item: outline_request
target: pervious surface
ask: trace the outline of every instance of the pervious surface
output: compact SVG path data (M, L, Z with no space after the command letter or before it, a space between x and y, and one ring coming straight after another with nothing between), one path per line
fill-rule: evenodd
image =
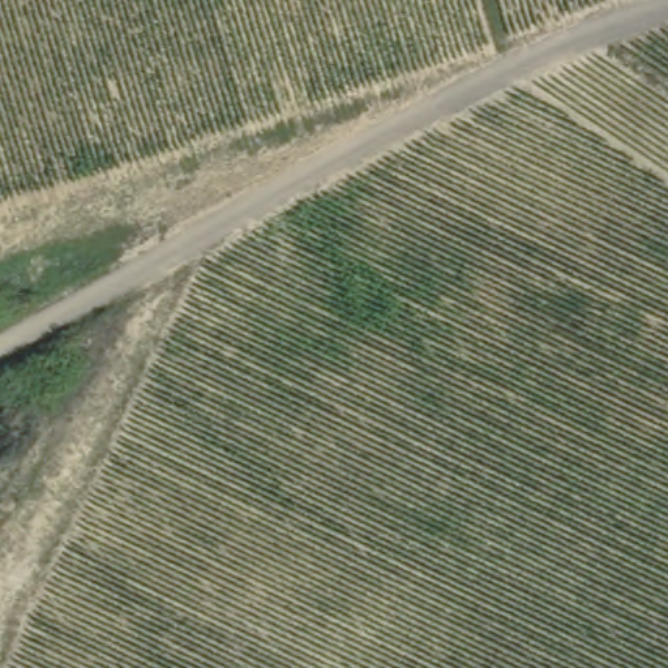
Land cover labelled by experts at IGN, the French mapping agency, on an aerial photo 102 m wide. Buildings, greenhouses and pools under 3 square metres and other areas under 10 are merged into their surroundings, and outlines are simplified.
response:
M480 107L504 102L517 89L527 89L535 81L553 78L566 68L587 65L592 57L605 55L611 44L626 44L631 39L647 42L650 34L668 29L668 0L631 0L624 5L611 5L603 13L592 13L585 21L556 34L540 34L530 44L511 47L501 52L491 65L454 73L451 78L425 91L415 91L412 97L397 102L371 104L365 110L355 120L329 128L337 136L334 144L321 144L311 157L300 157L295 164L290 164L284 172L274 175L264 185L243 188L232 198L224 198L214 206L206 206L180 219L175 227L167 230L164 240L149 237L144 243L136 243L128 251L123 251L123 256L112 264L110 274L94 279L81 290L65 290L57 303L47 305L44 311L23 318L21 324L0 334L0 355L39 339L52 326L73 321L97 305L115 300L117 295L125 295L128 290L141 290L164 277L172 277L188 261L204 258L217 261L237 240L248 237L253 230L261 230L269 219L292 209L297 201L334 190L347 177L365 172L384 157L404 151L410 144L420 141L428 133L446 136L451 123L467 123Z

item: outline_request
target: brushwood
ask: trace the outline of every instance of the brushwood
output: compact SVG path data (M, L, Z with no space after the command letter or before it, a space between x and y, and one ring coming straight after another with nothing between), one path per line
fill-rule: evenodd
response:
M123 256L123 251L128 251L136 243L136 235L141 230L138 222L112 222L110 227L86 237L52 240L0 258L0 334L21 324L23 318L44 311L47 305L57 303L65 290L81 290L94 279L110 274L112 264Z

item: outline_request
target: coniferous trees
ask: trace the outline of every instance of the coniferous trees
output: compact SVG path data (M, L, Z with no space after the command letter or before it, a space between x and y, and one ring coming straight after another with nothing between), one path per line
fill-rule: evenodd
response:
M29 451L29 446L37 441L39 420L44 415L55 415L57 420L70 423L73 412L63 410L63 402L81 386L81 378L89 371L81 337L57 342L55 352L34 355L21 368L0 373L0 459L23 457Z

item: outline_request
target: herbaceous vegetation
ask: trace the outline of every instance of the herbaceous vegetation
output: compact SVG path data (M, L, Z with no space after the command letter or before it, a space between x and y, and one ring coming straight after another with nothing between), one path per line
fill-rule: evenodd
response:
M57 420L55 415L44 415L39 420L37 441L29 446L29 451L23 457L0 459L0 668L13 668L13 660L8 658L18 658L26 631L31 626L31 616L37 613L39 603L50 600L52 605L65 605L63 598L47 592L47 587L52 585L52 577L68 545L76 543L97 553L104 545L117 548L123 543L115 532L86 524L97 519L110 519L110 514L102 506L91 501L97 496L97 488L104 488L104 470L110 470L112 464L110 459L104 459L107 449L117 451L120 441L130 433L130 418L141 397L146 394L149 381L154 378L154 365L164 350L164 339L175 329L177 318L185 313L190 290L198 284L198 279L204 279L204 258L188 261L172 277L164 277L141 290L144 303L130 311L133 318L125 324L125 331L120 334L117 344L104 352L104 368L99 378L94 381L94 386L86 389L86 397L73 404L73 412L70 423Z
M297 91L287 76L271 84L279 110L266 117L204 133L193 141L185 141L177 149L167 149L136 162L123 162L117 167L99 170L78 180L55 183L52 188L23 190L0 201L0 258L52 240L86 237L110 227L112 222L138 222L141 230L136 235L136 243L144 243L149 237L164 240L167 230L175 227L180 219L206 206L214 206L224 198L232 198L243 188L264 185L274 175L284 172L290 164L295 164L300 157L311 157L321 144L334 144L337 136L329 128L355 120L365 110L360 99L350 102L344 91L331 91L324 99L311 99L308 91Z

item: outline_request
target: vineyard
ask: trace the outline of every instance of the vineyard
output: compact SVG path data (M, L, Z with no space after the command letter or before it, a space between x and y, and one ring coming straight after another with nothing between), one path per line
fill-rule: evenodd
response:
M347 177L334 190L297 201L292 209L269 219L261 230L253 230L248 237L237 240L217 261L204 258L204 279L198 279L198 284L190 290L185 313L177 318L175 329L164 339L164 350L154 365L154 378L149 381L146 394L141 397L130 418L130 433L120 441L117 451L107 449L104 459L110 459L112 464L110 470L104 470L104 488L97 488L97 496L91 501L102 506L110 514L110 519L97 519L86 524L115 532L123 543L117 548L104 545L97 553L76 543L68 545L52 577L52 585L47 587L47 592L63 598L65 605L52 605L50 600L39 603L37 613L31 616L31 626L26 631L18 658L8 658L13 660L13 668L668 668L668 29L650 34L647 42L631 39L626 44L611 44L605 55L592 57L587 65L566 68L553 78L535 81L527 89L517 89L504 102L480 107L467 123L451 123L446 136L428 133L420 141L410 144L404 151L384 157L365 172Z
M130 311L144 303L141 290L128 290L125 295L117 295L115 300L97 305L73 321L52 326L39 339L0 355L0 373L21 368L34 355L55 352L57 342L81 337L89 371L81 378L81 386L63 402L63 410L73 412L73 404L86 397L86 389L94 386L94 381L99 378L104 368L104 352L117 344L120 334L125 331L125 324L133 318Z
M530 44L540 34L556 34L585 21L592 13L603 13L611 5L624 5L631 0L0 0L0 201L23 190L52 188L55 183L78 180L99 170L117 167L123 162L136 162L167 149L177 149L185 141L193 141L204 133L266 117L279 110L271 84L287 76L297 91L308 91L311 99L324 99L331 91L344 91L350 102L360 99L365 110L371 104L397 102L412 97L415 91L425 91L451 78L454 73L491 65L501 52L511 47Z

